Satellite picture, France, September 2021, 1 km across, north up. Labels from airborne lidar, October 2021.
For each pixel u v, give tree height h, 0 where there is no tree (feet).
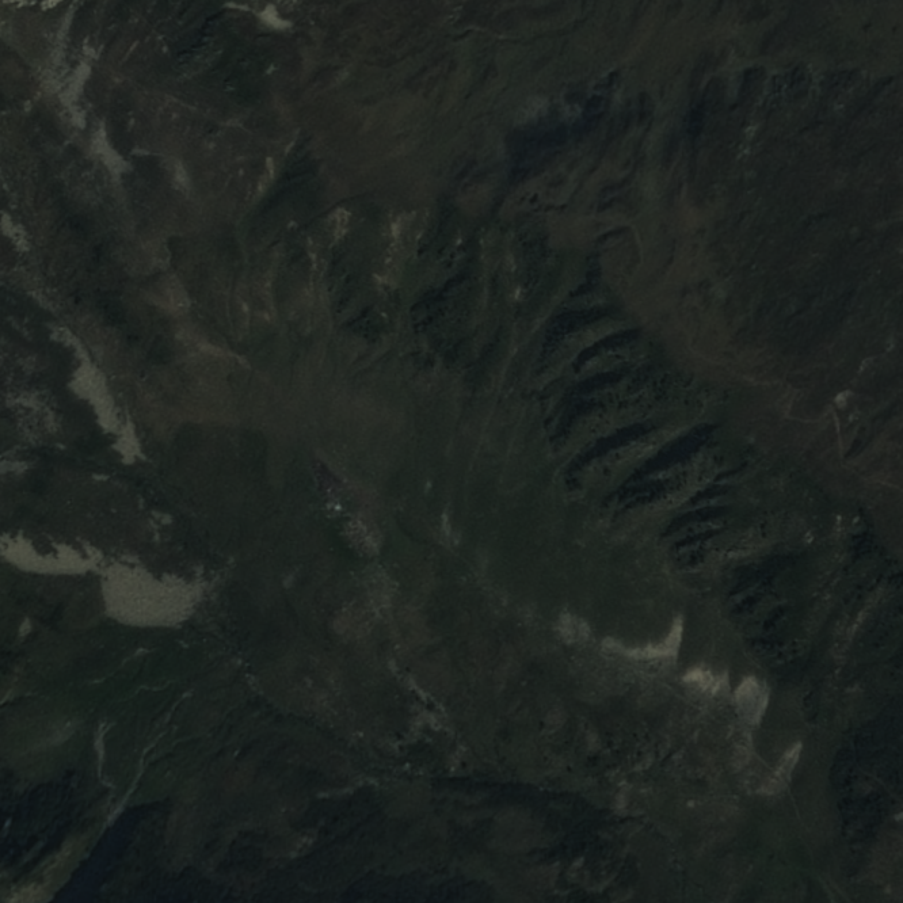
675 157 0
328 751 0
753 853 0
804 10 0
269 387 0
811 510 0
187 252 0
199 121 0
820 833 0
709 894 0
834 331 0
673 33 0
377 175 0
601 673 0
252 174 0
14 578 0
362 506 0
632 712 0
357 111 0
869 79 0
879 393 0
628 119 0
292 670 0
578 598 0
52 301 0
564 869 0
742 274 0
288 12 0
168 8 0
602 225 0
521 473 0
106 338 0
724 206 0
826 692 0
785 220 0
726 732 0
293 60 0
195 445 0
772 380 0
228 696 0
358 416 0
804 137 0
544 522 0
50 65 0
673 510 0
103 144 0
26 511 0
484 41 0
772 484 0
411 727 0
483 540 0
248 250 0
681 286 0
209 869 0
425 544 0
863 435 0
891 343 0
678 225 0
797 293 0
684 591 0
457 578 0
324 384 0
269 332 0
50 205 0
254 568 0
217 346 0
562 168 0
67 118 0
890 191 0
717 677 0
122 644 0
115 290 0
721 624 0
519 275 0
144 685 0
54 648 0
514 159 0
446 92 0
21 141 0
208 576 0
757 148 0
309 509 0
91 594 0
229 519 0
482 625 0
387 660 0
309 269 0
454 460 0
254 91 0
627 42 0
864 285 0
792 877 0
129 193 0
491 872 0
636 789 0
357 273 0
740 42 0
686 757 0
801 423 0
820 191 0
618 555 0
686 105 0
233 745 0
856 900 0
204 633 0
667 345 0
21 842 20
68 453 0
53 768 0
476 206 0
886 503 0
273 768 0
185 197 0
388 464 0
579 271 0
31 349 0
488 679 0
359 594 0
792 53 0
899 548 0
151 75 0
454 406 0
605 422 24
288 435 0
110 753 0
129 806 0
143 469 0
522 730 0
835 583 0
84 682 0
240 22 0
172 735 0
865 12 0
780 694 0
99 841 0
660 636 0
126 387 0
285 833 0
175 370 0
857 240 0
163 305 0
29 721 0
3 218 0
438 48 0
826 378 0
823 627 0
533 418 0
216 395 0
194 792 0
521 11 0
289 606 0
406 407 0
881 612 0
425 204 0
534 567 0
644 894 0
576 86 0
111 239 0
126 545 0
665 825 0
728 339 0
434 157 0
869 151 0
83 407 0
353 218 0
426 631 0
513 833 0
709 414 0
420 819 0
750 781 0
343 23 0
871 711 0
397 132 0
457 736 0
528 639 0
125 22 0
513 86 0
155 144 0
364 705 0
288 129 0
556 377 0
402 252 0
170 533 0
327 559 0
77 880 0
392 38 0
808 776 0
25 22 0
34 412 0
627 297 0
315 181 0
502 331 0
